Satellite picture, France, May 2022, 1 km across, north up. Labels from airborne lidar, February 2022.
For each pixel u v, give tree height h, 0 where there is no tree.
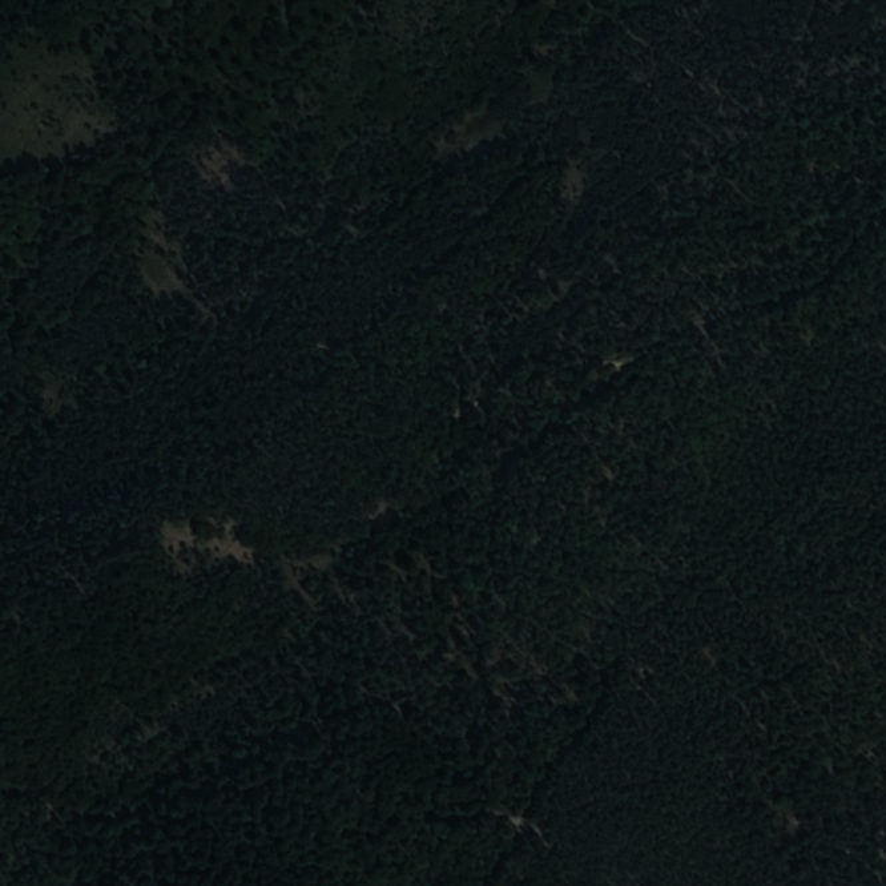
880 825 23
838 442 27
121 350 34
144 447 11
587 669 31
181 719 12
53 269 31
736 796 11
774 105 28
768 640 28
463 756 36
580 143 10
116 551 31
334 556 0
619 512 33
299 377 10
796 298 26
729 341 30
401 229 12
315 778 31
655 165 11
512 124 7
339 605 8
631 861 21
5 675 24
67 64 0
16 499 17
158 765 11
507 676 31
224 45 31
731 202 28
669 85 27
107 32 35
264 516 25
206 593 26
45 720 22
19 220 36
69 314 23
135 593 23
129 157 27
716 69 25
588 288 23
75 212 33
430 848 33
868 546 31
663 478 7
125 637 24
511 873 24
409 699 28
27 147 0
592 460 37
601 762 25
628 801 21
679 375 25
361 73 10
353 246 18
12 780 25
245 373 10
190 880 20
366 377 29
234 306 8
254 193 35
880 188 23
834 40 11
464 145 0
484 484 23
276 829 31
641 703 16
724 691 30
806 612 33
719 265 30
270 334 19
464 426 14
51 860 26
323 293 13
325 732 31
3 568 36
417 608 35
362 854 33
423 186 9
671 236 25
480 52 10
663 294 30
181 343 14
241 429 11
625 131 15
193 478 29
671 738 19
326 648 29
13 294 35
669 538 29
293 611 26
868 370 25
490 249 22
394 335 27
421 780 30
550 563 31
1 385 28
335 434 31
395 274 12
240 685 13
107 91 22
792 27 26
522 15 12
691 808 19
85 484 13
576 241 21
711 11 9
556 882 24
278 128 28
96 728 8
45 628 20
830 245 31
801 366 25
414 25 10
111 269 28
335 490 31
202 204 32
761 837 25
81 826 18
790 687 27
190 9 31
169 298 0
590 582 32
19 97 0
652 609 28
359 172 14
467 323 10
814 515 31
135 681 24
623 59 24
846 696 27
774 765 14
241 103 27
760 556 29
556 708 31
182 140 32
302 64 21
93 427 13
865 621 21
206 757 31
